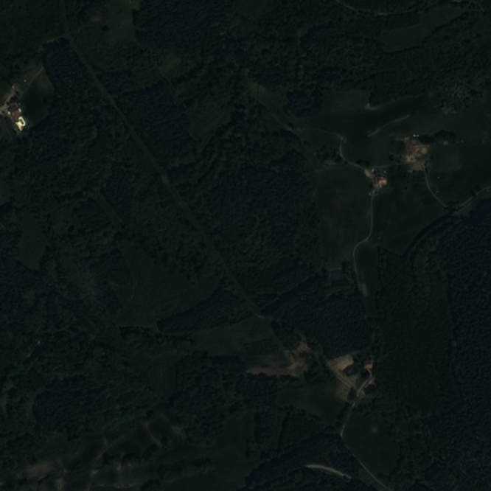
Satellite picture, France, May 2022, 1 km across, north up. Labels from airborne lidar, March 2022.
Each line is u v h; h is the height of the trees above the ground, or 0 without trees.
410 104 0
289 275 30
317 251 14
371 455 0
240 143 22
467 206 0
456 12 0
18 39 0
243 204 29
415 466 18
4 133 0
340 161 17
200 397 26
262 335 0
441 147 0
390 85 14
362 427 0
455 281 28
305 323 33
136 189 26
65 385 26
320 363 20
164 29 32
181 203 0
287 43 24
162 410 0
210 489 0
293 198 28
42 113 0
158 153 21
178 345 21
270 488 26
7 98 0
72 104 21
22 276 36
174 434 0
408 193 0
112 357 30
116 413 22
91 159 28
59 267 29
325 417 0
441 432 26
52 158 16
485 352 28
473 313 31
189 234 29
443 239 32
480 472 29
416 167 0
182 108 25
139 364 0
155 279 0
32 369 19
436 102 0
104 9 24
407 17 11
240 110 21
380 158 0
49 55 28
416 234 0
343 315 31
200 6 32
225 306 28
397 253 0
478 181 0
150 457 23
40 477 16
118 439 0
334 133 0
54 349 19
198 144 8
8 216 32
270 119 0
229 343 0
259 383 33
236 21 22
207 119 0
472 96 15
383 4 14
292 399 0
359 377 0
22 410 26
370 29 10
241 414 21
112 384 23
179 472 24
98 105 24
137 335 22
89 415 19
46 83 0
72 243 23
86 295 24
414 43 0
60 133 26
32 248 0
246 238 20
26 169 15
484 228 31
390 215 0
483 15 13
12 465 30
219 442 0
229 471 0
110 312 30
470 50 13
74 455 0
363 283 0
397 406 23
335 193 0
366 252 0
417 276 28
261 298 28
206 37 34
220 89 11
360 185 0
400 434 23
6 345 28
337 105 0
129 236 7
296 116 27
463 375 26
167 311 0
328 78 15
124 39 0
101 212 28
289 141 29
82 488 0
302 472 28
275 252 21
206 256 25
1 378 7
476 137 0
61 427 23
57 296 30
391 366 15
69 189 18
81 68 25
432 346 17
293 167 28
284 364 0
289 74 25
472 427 28
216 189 23
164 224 27
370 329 15
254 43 27
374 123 0
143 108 29
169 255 26
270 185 36
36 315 28
